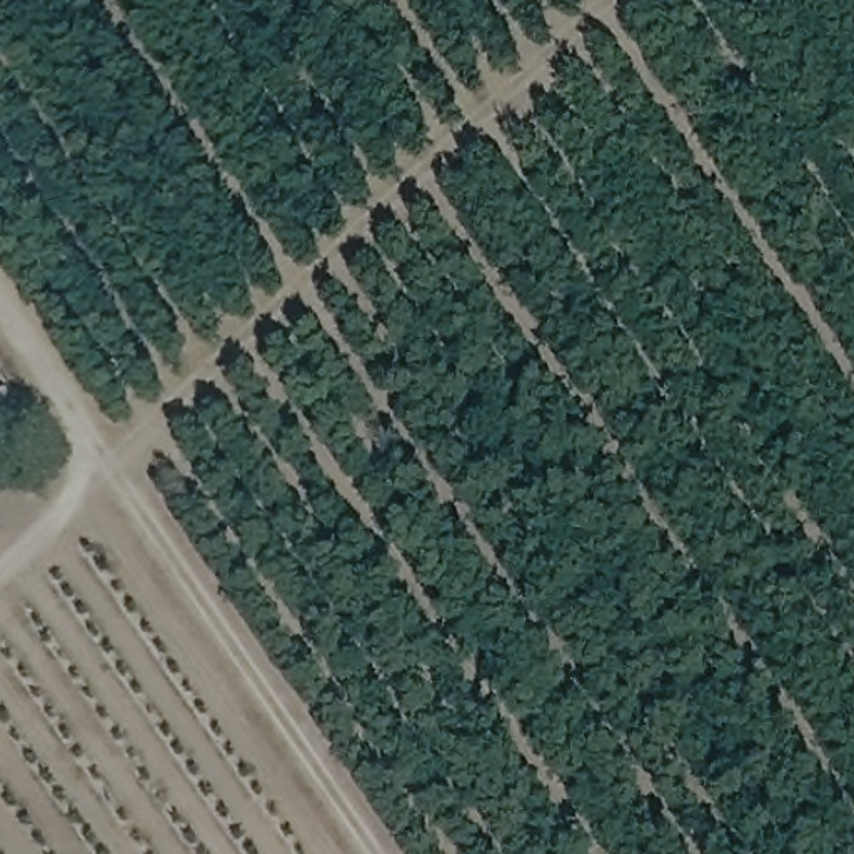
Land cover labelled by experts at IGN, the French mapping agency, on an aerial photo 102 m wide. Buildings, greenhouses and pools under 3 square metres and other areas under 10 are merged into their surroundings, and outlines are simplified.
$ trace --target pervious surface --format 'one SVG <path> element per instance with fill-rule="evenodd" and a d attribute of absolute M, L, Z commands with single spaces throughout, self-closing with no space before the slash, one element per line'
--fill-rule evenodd
<path fill-rule="evenodd" d="M 590 47 L 584 37 L 607 30 L 604 20 L 617 13 L 617 0 L 550 0 L 554 10 L 544 13 L 550 27 L 547 40 L 517 40 L 517 70 L 494 67 L 480 77 L 480 87 L 467 87 L 454 93 L 460 117 L 444 123 L 430 100 L 420 103 L 427 127 L 424 147 L 417 153 L 397 150 L 384 177 L 367 177 L 367 200 L 360 207 L 344 207 L 344 224 L 334 234 L 317 237 L 317 250 L 304 264 L 297 264 L 284 250 L 277 230 L 267 220 L 257 227 L 280 270 L 280 287 L 254 287 L 254 307 L 244 317 L 220 317 L 217 330 L 207 340 L 197 337 L 190 320 L 180 320 L 180 344 L 173 350 L 147 350 L 160 377 L 160 390 L 150 400 L 163 407 L 167 420 L 200 417 L 210 404 L 220 400 L 220 394 L 227 394 L 234 414 L 240 414 L 240 394 L 230 384 L 227 370 L 247 350 L 254 344 L 264 350 L 270 334 L 290 337 L 297 320 L 310 310 L 330 337 L 340 330 L 317 290 L 330 284 L 330 277 L 337 277 L 354 294 L 364 314 L 374 314 L 367 287 L 350 270 L 354 257 L 360 254 L 360 244 L 374 234 L 370 224 L 384 227 L 394 217 L 407 217 L 407 203 L 417 203 L 427 190 L 447 224 L 460 217 L 444 187 L 437 183 L 437 173 L 460 170 L 474 143 L 487 147 L 490 140 L 484 130 L 497 123 L 497 117 L 507 107 L 527 113 L 530 87 L 540 83 L 550 90 L 554 73 L 567 67 L 574 53 L 580 60 L 590 60 Z"/>
<path fill-rule="evenodd" d="M 97 400 L 77 384 L 57 347 L 50 344 L 37 310 L 20 300 L 13 280 L 0 270 L 0 334 L 17 354 L 23 384 L 30 384 L 40 394 L 50 400 L 50 410 L 63 424 L 63 434 L 70 440 L 70 460 L 50 487 L 53 497 L 47 510 L 7 550 L 0 550 L 0 587 L 37 554 L 43 554 L 80 510 L 93 467 L 100 460 L 100 414 Z"/>

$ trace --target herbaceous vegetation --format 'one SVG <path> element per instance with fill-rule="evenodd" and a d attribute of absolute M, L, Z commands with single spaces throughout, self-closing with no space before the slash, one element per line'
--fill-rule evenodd
<path fill-rule="evenodd" d="M 507 564 L 497 557 L 494 544 L 480 534 L 477 524 L 467 524 L 464 530 L 480 550 L 484 564 L 497 577 L 507 577 Z"/>
<path fill-rule="evenodd" d="M 821 764 L 821 771 L 827 771 L 831 754 L 817 741 L 814 724 L 787 691 L 781 691 L 781 707 L 801 731 L 807 754 Z"/>
<path fill-rule="evenodd" d="M 280 404 L 284 384 L 280 374 L 264 360 L 264 350 L 254 344 L 247 350 L 254 374 L 264 377 L 270 400 Z"/>
<path fill-rule="evenodd" d="M 854 390 L 854 360 L 837 340 L 834 327 L 817 310 L 811 290 L 791 277 L 771 240 L 764 237 L 761 220 L 744 207 L 737 187 L 724 177 L 724 167 L 717 167 L 707 153 L 681 100 L 657 80 L 651 63 L 644 60 L 641 43 L 624 30 L 620 13 L 630 0 L 617 0 L 617 13 L 604 20 L 607 30 L 630 57 L 630 67 L 637 70 L 641 83 L 667 110 L 671 123 L 691 147 L 694 163 L 701 163 L 701 170 L 714 177 L 714 187 L 751 234 L 761 260 L 797 300 L 797 307 L 817 330 L 821 347 L 837 360 L 844 380 Z"/>
<path fill-rule="evenodd" d="M 267 577 L 264 570 L 257 584 L 274 604 L 277 620 L 290 634 L 300 634 L 297 610 L 290 610 L 274 577 Z"/>
<path fill-rule="evenodd" d="M 133 50 L 157 73 L 157 83 L 170 93 L 170 107 L 183 113 L 187 100 L 173 83 L 170 67 L 157 60 L 143 37 L 133 37 Z"/>
<path fill-rule="evenodd" d="M 47 510 L 53 497 L 50 487 L 37 494 L 0 490 L 0 550 L 7 550 Z"/>
<path fill-rule="evenodd" d="M 340 497 L 360 514 L 360 524 L 387 544 L 387 510 L 380 504 L 370 507 L 370 500 L 354 487 L 354 477 L 337 464 L 317 427 L 307 420 L 307 410 L 297 410 L 294 420 L 307 437 L 324 477 L 334 480 Z"/>
<path fill-rule="evenodd" d="M 410 23 L 417 43 L 437 63 L 454 93 L 467 87 L 447 60 L 447 53 L 440 50 L 440 43 L 424 27 L 420 13 L 410 7 L 410 0 L 394 0 L 397 13 Z"/>
<path fill-rule="evenodd" d="M 784 507 L 801 524 L 794 530 L 771 530 L 774 544 L 797 544 L 804 537 L 821 540 L 824 530 L 804 507 L 804 500 L 794 490 L 787 490 Z"/>
<path fill-rule="evenodd" d="M 0 410 L 30 407 L 40 394 L 30 384 L 23 384 L 17 354 L 0 334 Z"/>
<path fill-rule="evenodd" d="M 671 520 L 664 517 L 661 504 L 641 484 L 637 497 L 651 524 L 667 534 L 671 547 L 681 550 L 681 567 L 691 570 L 691 547 L 684 544 L 681 530 L 671 530 Z"/>
<path fill-rule="evenodd" d="M 504 284 L 500 270 L 480 250 L 480 244 L 460 217 L 447 224 L 457 240 L 467 240 L 474 267 L 494 290 L 497 304 L 520 327 L 527 347 L 540 354 L 554 377 L 560 377 L 564 364 L 544 337 L 537 337 L 534 314 Z"/>
<path fill-rule="evenodd" d="M 507 724 L 514 747 L 524 754 L 527 764 L 534 764 L 537 781 L 547 787 L 550 801 L 560 801 L 554 824 L 574 841 L 584 841 L 587 854 L 607 854 L 597 844 L 590 817 L 577 814 L 574 804 L 564 801 L 564 781 L 550 771 L 540 751 L 534 751 L 517 711 L 504 701 L 497 704 L 497 714 Z"/>
<path fill-rule="evenodd" d="M 130 417 L 110 420 L 107 414 L 100 414 L 100 460 L 93 467 L 80 510 L 43 554 L 37 554 L 0 587 L 0 854 L 97 854 L 83 841 L 80 827 L 67 821 L 70 807 L 77 807 L 93 824 L 110 854 L 404 854 L 384 827 L 384 821 L 374 814 L 367 794 L 354 784 L 350 771 L 330 754 L 330 741 L 314 724 L 310 707 L 274 667 L 247 620 L 240 617 L 240 610 L 227 597 L 220 597 L 214 570 L 200 560 L 197 547 L 167 510 L 160 490 L 153 487 L 153 477 L 177 467 L 177 474 L 187 477 L 183 494 L 197 494 L 197 480 L 190 480 L 190 457 L 170 437 L 167 420 L 163 407 L 150 400 L 127 387 Z"/>
<path fill-rule="evenodd" d="M 497 123 L 484 130 L 490 140 L 500 147 L 504 160 L 517 177 L 524 173 L 517 147 Z"/>
<path fill-rule="evenodd" d="M 751 70 L 744 70 L 744 53 L 737 53 L 724 37 L 717 40 L 717 57 L 731 63 L 727 77 L 747 83 Z"/>
<path fill-rule="evenodd" d="M 651 774 L 641 767 L 634 774 L 637 791 L 661 797 L 667 837 L 677 841 L 681 851 L 687 847 L 687 854 L 704 854 L 694 841 L 694 831 L 681 824 L 674 814 L 674 801 L 684 787 L 664 781 L 654 784 Z"/>
<path fill-rule="evenodd" d="M 437 604 L 427 597 L 400 544 L 390 544 L 387 557 L 397 567 L 397 577 L 407 584 L 410 597 L 427 614 L 427 620 L 440 620 Z"/>
<path fill-rule="evenodd" d="M 414 444 L 414 457 L 424 470 L 424 480 L 434 487 L 437 500 L 450 500 L 454 487 L 430 464 L 427 444 L 407 430 L 397 407 L 390 407 L 387 400 L 387 390 L 377 387 L 357 347 L 340 330 L 330 337 L 354 367 L 370 404 L 380 410 L 370 424 L 364 417 L 354 417 L 354 434 L 360 437 L 360 444 L 380 447 L 384 440 L 400 437 Z"/>
<path fill-rule="evenodd" d="M 240 177 L 234 170 L 224 170 L 220 180 L 230 193 L 244 200 L 257 227 L 267 220 L 254 193 L 240 183 Z"/>

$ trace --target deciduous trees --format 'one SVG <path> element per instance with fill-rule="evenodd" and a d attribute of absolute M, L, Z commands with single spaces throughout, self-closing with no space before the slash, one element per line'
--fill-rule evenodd
<path fill-rule="evenodd" d="M 80 827 L 83 841 L 97 854 L 110 854 L 93 824 L 77 807 L 70 807 L 67 821 Z"/>
<path fill-rule="evenodd" d="M 50 400 L 40 394 L 30 407 L 0 410 L 0 490 L 37 494 L 50 487 L 70 460 L 70 440 L 63 434 L 63 424 L 50 410 Z"/>
<path fill-rule="evenodd" d="M 791 277 L 811 290 L 817 310 L 834 327 L 837 340 L 854 360 L 854 0 L 630 0 L 620 13 L 624 30 L 641 43 L 644 60 L 651 63 L 657 80 L 681 100 L 707 153 L 717 167 L 724 167 L 724 177 L 737 187 L 744 207 L 761 220 L 764 237 L 771 240 Z M 727 77 L 731 63 L 717 57 L 717 40 L 724 37 L 737 53 L 744 53 L 744 70 L 751 70 L 747 83 Z"/>
<path fill-rule="evenodd" d="M 550 0 L 410 0 L 410 7 L 420 13 L 424 27 L 440 43 L 440 50 L 447 53 L 447 60 L 467 87 L 480 87 L 480 77 L 494 67 L 517 70 L 517 40 L 547 40 L 550 27 L 544 13 L 554 10 Z"/>
<path fill-rule="evenodd" d="M 540 354 L 527 347 L 520 327 L 497 304 L 494 290 L 474 267 L 467 240 L 457 240 L 447 224 L 427 190 L 417 203 L 407 203 L 407 217 L 394 217 L 384 227 L 370 224 L 374 234 L 360 244 L 360 254 L 354 257 L 350 270 L 367 287 L 374 314 L 364 314 L 354 294 L 337 277 L 330 277 L 330 284 L 317 290 L 340 330 L 357 347 L 377 387 L 387 390 L 387 400 L 390 407 L 397 407 L 407 430 L 427 444 L 430 464 L 454 487 L 450 500 L 437 500 L 434 487 L 424 480 L 424 470 L 414 457 L 414 444 L 400 437 L 384 440 L 380 447 L 360 444 L 360 437 L 354 434 L 354 417 L 364 417 L 370 424 L 380 410 L 370 404 L 354 367 L 330 337 L 310 310 L 297 320 L 290 337 L 270 334 L 264 350 L 264 360 L 280 374 L 284 384 L 280 404 L 270 400 L 264 377 L 254 374 L 247 350 L 227 370 L 230 384 L 240 394 L 240 414 L 234 414 L 227 394 L 220 394 L 220 400 L 210 404 L 200 417 L 167 420 L 170 437 L 190 457 L 190 480 L 197 480 L 197 494 L 183 494 L 187 477 L 177 474 L 177 467 L 153 477 L 153 487 L 160 490 L 167 510 L 197 547 L 200 560 L 214 570 L 220 597 L 227 597 L 240 610 L 240 617 L 247 620 L 274 667 L 310 707 L 314 724 L 330 741 L 330 754 L 350 771 L 354 784 L 367 794 L 374 814 L 384 821 L 384 827 L 404 854 L 587 854 L 584 841 L 574 841 L 554 824 L 560 801 L 550 801 L 547 787 L 537 781 L 534 764 L 527 764 L 524 754 L 514 747 L 507 724 L 497 714 L 497 704 L 504 701 L 517 711 L 534 751 L 540 751 L 550 771 L 564 781 L 564 801 L 574 804 L 577 814 L 590 817 L 597 844 L 607 854 L 687 854 L 687 847 L 681 851 L 677 841 L 667 837 L 661 797 L 637 791 L 634 774 L 641 767 L 651 774 L 654 784 L 664 781 L 684 787 L 674 801 L 674 814 L 681 824 L 694 831 L 694 841 L 704 854 L 854 854 L 854 390 L 844 380 L 837 360 L 821 347 L 817 330 L 797 307 L 797 300 L 761 260 L 751 234 L 714 187 L 714 177 L 701 170 L 701 163 L 694 163 L 691 147 L 671 123 L 667 110 L 641 83 L 637 70 L 630 67 L 630 57 L 607 30 L 584 37 L 590 47 L 590 60 L 580 60 L 574 53 L 567 67 L 554 73 L 550 90 L 540 83 L 530 87 L 527 113 L 507 107 L 497 117 L 497 123 L 517 147 L 524 173 L 517 177 L 504 160 L 500 147 L 490 140 L 487 147 L 474 143 L 460 170 L 437 173 L 437 183 L 444 187 L 460 217 L 480 244 L 480 250 L 500 270 L 504 284 L 534 314 L 537 337 L 544 337 L 564 364 L 560 377 L 554 377 Z M 307 437 L 294 420 L 297 410 L 307 410 L 307 420 L 317 427 L 337 464 L 354 477 L 354 487 L 370 500 L 370 507 L 380 504 L 387 510 L 387 544 L 360 524 L 360 514 L 340 497 L 334 480 L 324 477 Z M 671 530 L 681 530 L 684 544 L 691 547 L 691 570 L 681 567 L 681 550 L 671 547 L 667 534 L 651 524 L 637 497 L 641 484 L 661 504 L 664 517 L 671 520 Z M 774 544 L 771 530 L 794 530 L 801 524 L 784 507 L 787 490 L 794 490 L 804 500 L 804 507 L 824 530 L 821 540 L 804 537 L 797 544 Z M 497 577 L 484 564 L 480 550 L 464 530 L 467 524 L 477 524 L 480 534 L 494 544 L 497 557 L 507 564 L 507 577 Z M 397 577 L 397 567 L 387 557 L 390 544 L 400 544 L 427 597 L 437 604 L 440 620 L 427 620 L 427 614 L 410 597 L 407 584 Z M 297 610 L 300 634 L 290 634 L 277 620 L 274 604 L 257 584 L 264 570 L 267 577 L 274 577 L 290 610 Z M 781 707 L 781 691 L 787 691 L 814 724 L 817 741 L 831 754 L 827 771 L 821 771 L 821 764 L 807 754 L 801 731 Z"/>
<path fill-rule="evenodd" d="M 170 107 L 170 93 L 157 83 L 157 73 L 133 50 L 133 37 L 143 37 L 157 60 L 170 67 L 173 83 L 187 100 L 183 113 Z M 284 250 L 297 264 L 304 264 L 317 250 L 317 237 L 334 234 L 344 224 L 344 207 L 360 207 L 367 200 L 367 177 L 384 177 L 397 150 L 417 153 L 424 147 L 427 127 L 420 103 L 430 100 L 444 123 L 460 117 L 454 93 L 437 63 L 417 43 L 410 23 L 397 13 L 394 0 L 0 0 L 0 270 L 13 280 L 20 300 L 37 310 L 50 344 L 57 347 L 77 384 L 97 400 L 100 414 L 107 414 L 110 420 L 130 417 L 127 387 L 150 400 L 160 390 L 160 377 L 147 350 L 173 350 L 180 344 L 180 320 L 190 320 L 197 337 L 207 340 L 217 330 L 220 317 L 244 317 L 254 307 L 254 287 L 280 287 L 280 270 L 257 227 L 244 200 L 230 193 L 220 180 L 224 170 L 234 170 L 240 177 L 240 183 L 254 193 L 267 220 L 277 230 Z"/>

